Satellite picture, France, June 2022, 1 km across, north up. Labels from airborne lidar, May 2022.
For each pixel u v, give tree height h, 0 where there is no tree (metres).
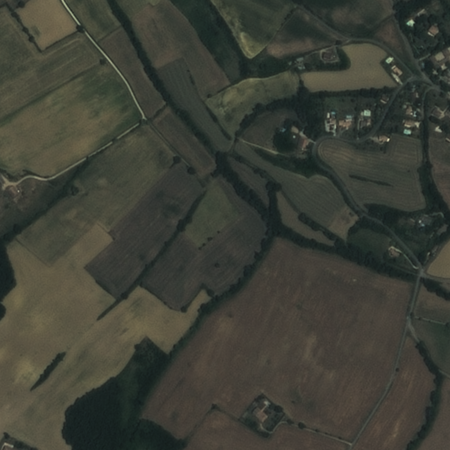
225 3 0
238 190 15
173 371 0
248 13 0
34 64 0
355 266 0
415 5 19
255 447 0
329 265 0
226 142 0
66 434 12
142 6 0
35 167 0
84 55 0
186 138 0
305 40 0
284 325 0
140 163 0
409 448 9
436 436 0
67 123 0
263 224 0
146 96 0
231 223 0
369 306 0
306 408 0
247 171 0
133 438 12
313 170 8
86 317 0
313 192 0
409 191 0
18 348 0
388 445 0
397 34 0
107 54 0
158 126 0
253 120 11
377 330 0
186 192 0
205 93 0
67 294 0
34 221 0
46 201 0
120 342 0
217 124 0
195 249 0
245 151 0
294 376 0
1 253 21
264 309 0
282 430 0
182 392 0
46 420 0
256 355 0
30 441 0
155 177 0
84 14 0
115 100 0
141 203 0
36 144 0
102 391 12
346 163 0
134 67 0
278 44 0
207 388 0
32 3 0
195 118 0
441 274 0
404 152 0
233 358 0
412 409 0
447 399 0
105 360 0
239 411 0
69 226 0
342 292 0
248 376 0
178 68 0
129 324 0
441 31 15
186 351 0
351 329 0
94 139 0
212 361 0
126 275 0
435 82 16
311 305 0
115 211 0
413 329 0
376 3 0
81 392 0
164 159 0
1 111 0
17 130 0
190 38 0
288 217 0
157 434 8
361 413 0
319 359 0
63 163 0
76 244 0
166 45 0
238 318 0
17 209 0
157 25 0
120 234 0
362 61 0
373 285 0
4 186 0
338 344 0
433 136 0
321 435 0
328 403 0
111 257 0
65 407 0
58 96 0
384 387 0
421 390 0
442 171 0
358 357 0
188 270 0
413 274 10
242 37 0
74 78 0
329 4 0
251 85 0
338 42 12
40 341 0
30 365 0
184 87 0
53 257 0
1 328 0
